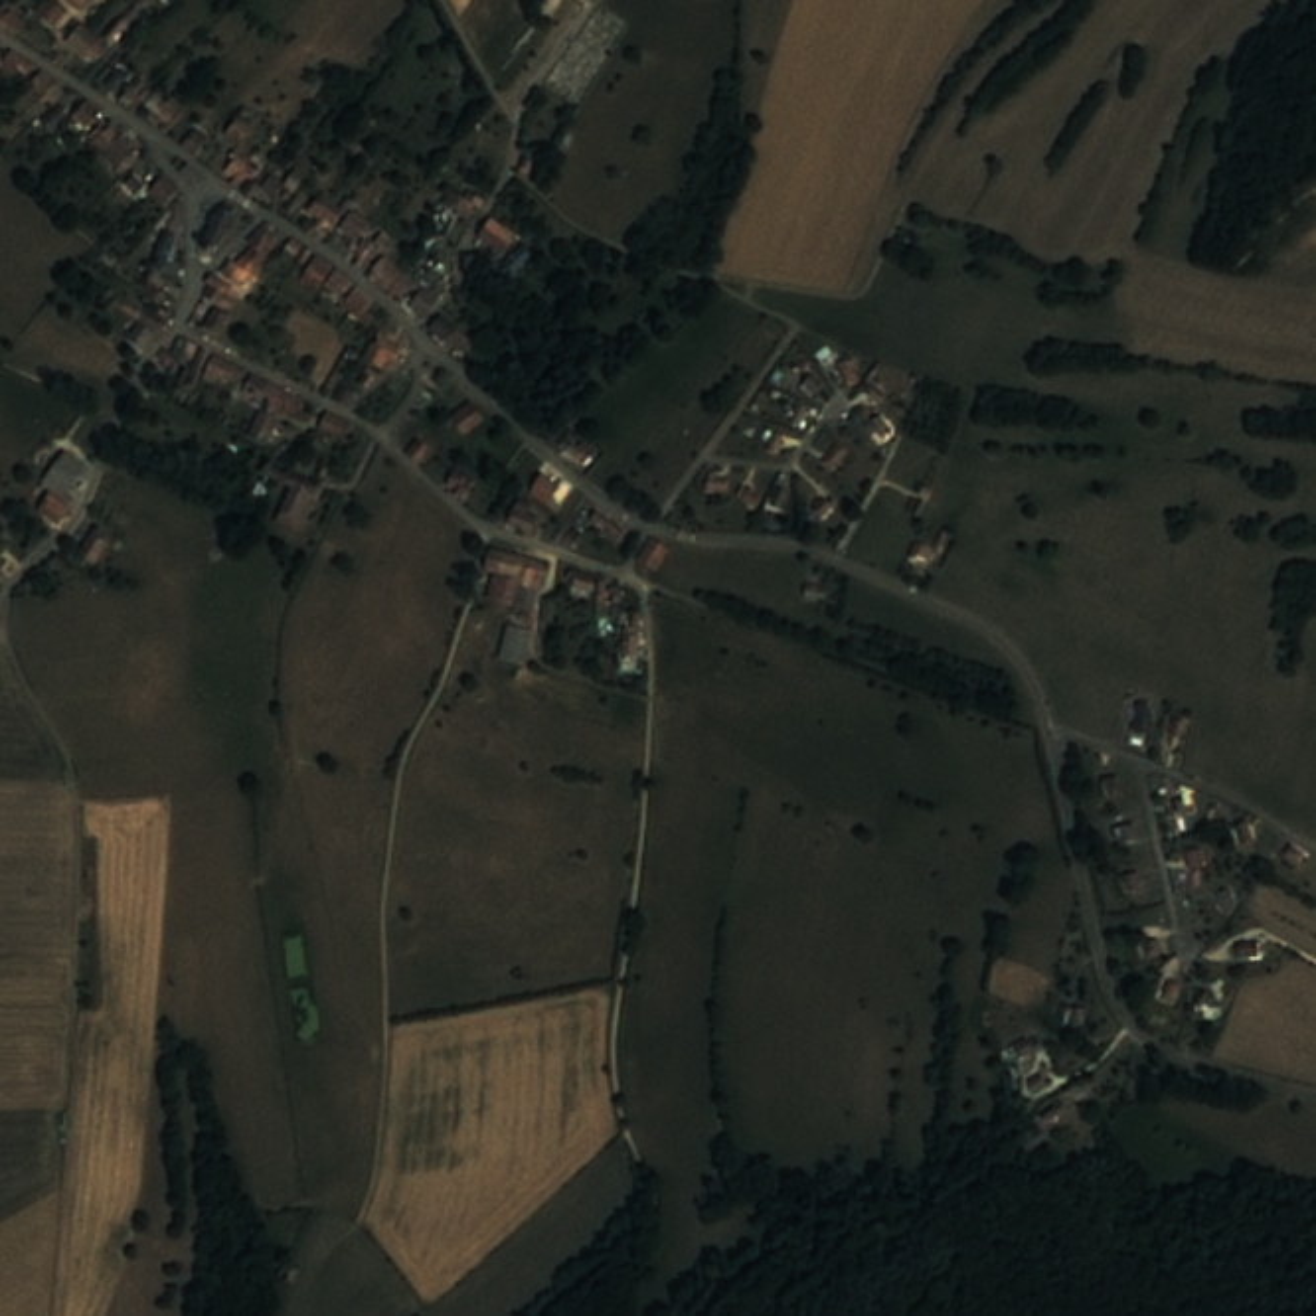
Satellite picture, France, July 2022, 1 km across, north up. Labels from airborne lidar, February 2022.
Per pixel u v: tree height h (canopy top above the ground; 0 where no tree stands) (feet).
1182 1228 77
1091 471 0
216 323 0
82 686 0
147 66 0
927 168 0
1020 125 0
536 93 26
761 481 0
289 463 23
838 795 0
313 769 0
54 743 0
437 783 0
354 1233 0
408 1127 0
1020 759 0
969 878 0
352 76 47
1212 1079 71
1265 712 0
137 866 0
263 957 0
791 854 0
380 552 0
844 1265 79
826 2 0
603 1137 0
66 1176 0
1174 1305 56
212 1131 36
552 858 0
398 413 0
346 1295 0
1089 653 0
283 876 0
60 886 0
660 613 0
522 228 19
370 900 0
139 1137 0
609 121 0
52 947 0
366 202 0
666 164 0
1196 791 0
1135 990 61
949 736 0
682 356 0
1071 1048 42
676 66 0
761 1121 0
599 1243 28
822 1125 0
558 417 62
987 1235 56
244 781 25
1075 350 27
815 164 0
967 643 0
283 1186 0
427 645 0
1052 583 0
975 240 34
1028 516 36
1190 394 0
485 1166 0
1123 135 0
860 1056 0
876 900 0
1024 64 23
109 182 0
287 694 0
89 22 23
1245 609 0
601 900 0
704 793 0
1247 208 56
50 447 0
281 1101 0
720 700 0
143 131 0
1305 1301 77
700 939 0
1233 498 0
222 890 0
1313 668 0
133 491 0
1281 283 0
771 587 0
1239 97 26
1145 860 0
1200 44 0
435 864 0
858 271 0
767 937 0
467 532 0
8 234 0
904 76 0
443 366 0
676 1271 0
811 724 0
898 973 0
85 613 0
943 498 0
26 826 0
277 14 0
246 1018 0
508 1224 0
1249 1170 68
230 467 26
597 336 53
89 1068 0
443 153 28
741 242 0
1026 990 0
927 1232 77
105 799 0
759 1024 0
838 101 0
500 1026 0
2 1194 0
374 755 0
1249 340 0
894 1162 27
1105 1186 57
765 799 0
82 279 26
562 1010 0
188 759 0
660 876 0
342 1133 0
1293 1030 0
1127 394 0
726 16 0
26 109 0
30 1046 0
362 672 0
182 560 0
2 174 0
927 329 0
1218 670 0
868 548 0
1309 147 55
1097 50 0
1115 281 32
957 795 0
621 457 0
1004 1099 40
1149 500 0
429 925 0
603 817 0
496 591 0
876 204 0
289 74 0
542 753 0
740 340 0
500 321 28
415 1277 0
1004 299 0
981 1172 52
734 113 25
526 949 0
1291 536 33
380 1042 0
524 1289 0
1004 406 41
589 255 55
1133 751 0
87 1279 0
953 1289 56
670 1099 0
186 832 0
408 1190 0
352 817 0
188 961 0
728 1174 66
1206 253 52
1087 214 0
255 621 0
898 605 0
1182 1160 0
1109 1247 63
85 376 0
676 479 0
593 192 0
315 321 0
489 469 53
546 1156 0
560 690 0
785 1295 71
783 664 0
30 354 0
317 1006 0
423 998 0
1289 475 29
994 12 0
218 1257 45
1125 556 0
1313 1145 0
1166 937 0
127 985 0
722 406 33
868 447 0
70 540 38
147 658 0
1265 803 0
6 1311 0
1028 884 66
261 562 0
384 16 0
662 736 0
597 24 0
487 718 0
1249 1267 73
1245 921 0
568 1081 0
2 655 0
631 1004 0
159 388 58
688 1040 0
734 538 0
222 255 0
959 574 0
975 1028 0
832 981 0
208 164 0
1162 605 0
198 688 0
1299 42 56
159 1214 0
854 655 28
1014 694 28
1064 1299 69
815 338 0
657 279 60
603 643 27
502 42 0
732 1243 0
